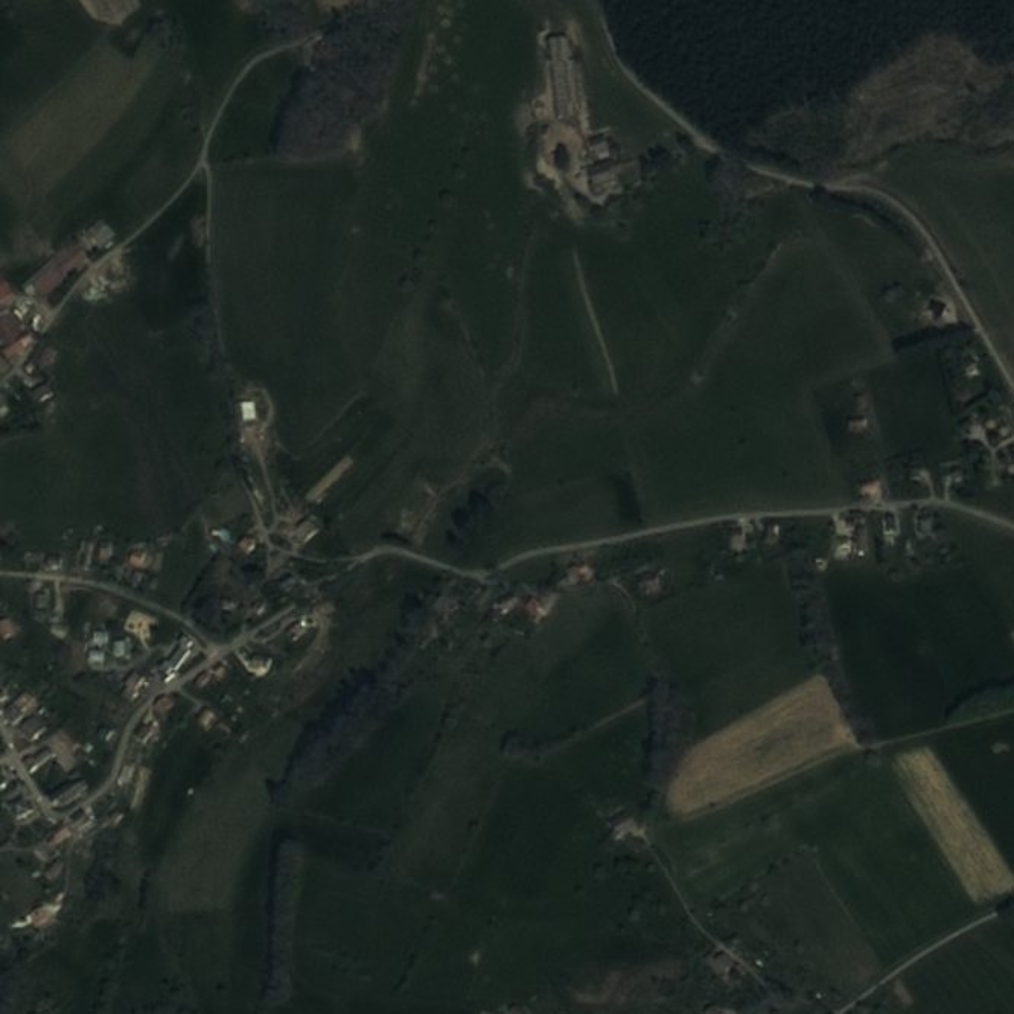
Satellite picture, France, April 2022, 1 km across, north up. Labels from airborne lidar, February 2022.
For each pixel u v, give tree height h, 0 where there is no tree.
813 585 24
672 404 0
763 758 0
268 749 0
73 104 0
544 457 0
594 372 0
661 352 0
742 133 29
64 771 6
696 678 0
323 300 0
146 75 0
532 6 0
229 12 0
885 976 0
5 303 0
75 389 0
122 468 0
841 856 0
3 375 0
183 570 0
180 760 0
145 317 0
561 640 0
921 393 0
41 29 0
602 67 0
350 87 33
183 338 0
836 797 0
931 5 28
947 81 0
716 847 0
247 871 0
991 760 0
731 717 0
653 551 0
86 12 0
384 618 0
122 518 0
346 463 0
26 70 0
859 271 0
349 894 0
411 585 0
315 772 27
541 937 0
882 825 0
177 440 0
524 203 0
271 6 22
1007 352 0
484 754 0
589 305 0
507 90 0
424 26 0
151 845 0
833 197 18
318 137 34
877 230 0
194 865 0
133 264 0
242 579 13
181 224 0
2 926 0
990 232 0
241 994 0
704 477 0
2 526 0
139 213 0
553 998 0
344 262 0
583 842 0
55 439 0
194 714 0
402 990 7
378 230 0
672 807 0
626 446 0
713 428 0
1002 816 0
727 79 30
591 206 11
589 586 16
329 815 0
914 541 0
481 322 0
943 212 0
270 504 0
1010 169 0
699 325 0
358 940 0
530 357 0
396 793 0
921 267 0
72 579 0
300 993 17
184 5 0
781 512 0
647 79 30
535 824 0
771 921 0
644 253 0
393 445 0
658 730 19
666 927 0
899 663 0
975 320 0
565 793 0
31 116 0
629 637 0
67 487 0
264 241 0
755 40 26
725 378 0
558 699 0
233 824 0
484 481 0
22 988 21
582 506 0
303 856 24
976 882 0
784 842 0
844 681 22
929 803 0
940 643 0
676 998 8
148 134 0
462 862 0
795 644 0
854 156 0
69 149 0
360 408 0
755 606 0
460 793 0
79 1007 0
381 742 0
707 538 0
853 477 0
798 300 0
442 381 0
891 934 0
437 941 0
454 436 0
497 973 0
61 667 9
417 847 0
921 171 0
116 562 8
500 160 0
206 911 0
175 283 0
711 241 15
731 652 0
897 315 0
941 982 0
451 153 0
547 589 13
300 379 0
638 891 0
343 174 0
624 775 0
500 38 0
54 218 0
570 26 0
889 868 0
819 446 0
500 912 0
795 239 0
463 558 15
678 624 0
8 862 0
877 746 17
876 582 0
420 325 0
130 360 0
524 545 0
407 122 0
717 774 0
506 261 0
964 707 14
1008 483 5
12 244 0
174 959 0
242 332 0
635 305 0
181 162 0
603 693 0
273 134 0
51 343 7
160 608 0
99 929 0
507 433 0
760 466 0
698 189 0
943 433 0
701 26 26
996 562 0
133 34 0
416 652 8
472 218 0
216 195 0
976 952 0
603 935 0
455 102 0
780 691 0
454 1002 0
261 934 0
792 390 0
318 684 0
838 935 0
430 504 0
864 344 0
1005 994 0
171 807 0
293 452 0
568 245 0
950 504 0
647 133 0
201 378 0
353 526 0
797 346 0
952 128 0
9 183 0
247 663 0
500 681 0
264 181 0
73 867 0
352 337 0
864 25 31
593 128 0
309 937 0
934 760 0
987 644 0
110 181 0
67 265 0
